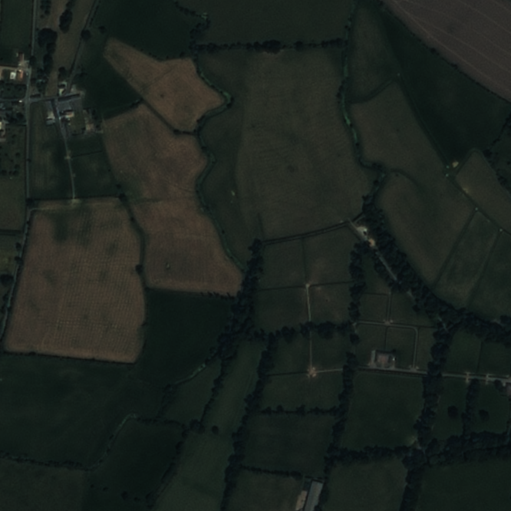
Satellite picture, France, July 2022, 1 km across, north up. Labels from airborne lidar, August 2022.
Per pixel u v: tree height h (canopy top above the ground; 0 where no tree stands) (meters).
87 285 0
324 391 0
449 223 0
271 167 0
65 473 0
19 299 0
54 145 0
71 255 0
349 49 0
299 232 0
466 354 0
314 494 0
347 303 0
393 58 0
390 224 0
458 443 25
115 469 0
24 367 0
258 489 0
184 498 0
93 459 0
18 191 0
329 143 0
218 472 0
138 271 14
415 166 0
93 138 0
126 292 0
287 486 0
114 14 0
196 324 0
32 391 0
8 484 0
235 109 0
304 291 0
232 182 0
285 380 0
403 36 0
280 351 0
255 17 0
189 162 0
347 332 18
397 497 0
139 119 0
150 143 0
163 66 0
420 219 0
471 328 23
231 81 0
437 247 0
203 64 0
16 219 0
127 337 0
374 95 0
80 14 0
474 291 0
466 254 0
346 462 28
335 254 0
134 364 9
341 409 13
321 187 0
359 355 0
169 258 0
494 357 0
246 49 7
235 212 0
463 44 0
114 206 0
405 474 0
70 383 0
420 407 0
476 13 0
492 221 0
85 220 0
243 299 27
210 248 0
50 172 0
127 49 0
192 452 0
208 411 13
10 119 11
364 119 0
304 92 0
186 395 0
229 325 14
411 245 0
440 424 0
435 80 0
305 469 0
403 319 0
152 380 0
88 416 0
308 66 0
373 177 0
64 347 0
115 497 0
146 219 0
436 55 8
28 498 0
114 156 0
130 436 0
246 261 0
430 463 28
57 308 0
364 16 0
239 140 0
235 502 0
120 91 0
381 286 0
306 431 0
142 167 0
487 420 18
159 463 0
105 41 0
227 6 0
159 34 0
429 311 26
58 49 0
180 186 0
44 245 0
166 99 0
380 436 0
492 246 0
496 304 0
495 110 0
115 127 0
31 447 0
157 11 0
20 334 0
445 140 0
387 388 0
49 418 0
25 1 0
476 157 0
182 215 0
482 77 0
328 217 0
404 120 0
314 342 0
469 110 0
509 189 6
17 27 0
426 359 0
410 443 0
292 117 0
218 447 0
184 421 0
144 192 0
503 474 0
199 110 0
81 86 0
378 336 0
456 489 0
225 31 0
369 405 0
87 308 0
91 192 0
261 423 0
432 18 0
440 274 0
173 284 0
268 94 0
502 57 0
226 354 27
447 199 0
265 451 0
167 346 0
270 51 13
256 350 0
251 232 0
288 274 0
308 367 0
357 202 0
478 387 17
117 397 0
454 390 0
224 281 0
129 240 0
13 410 0
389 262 26
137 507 0
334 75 0
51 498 0
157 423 7
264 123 0
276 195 0
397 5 0
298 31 0
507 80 0
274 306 0
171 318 0
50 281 0
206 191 0
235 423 0
